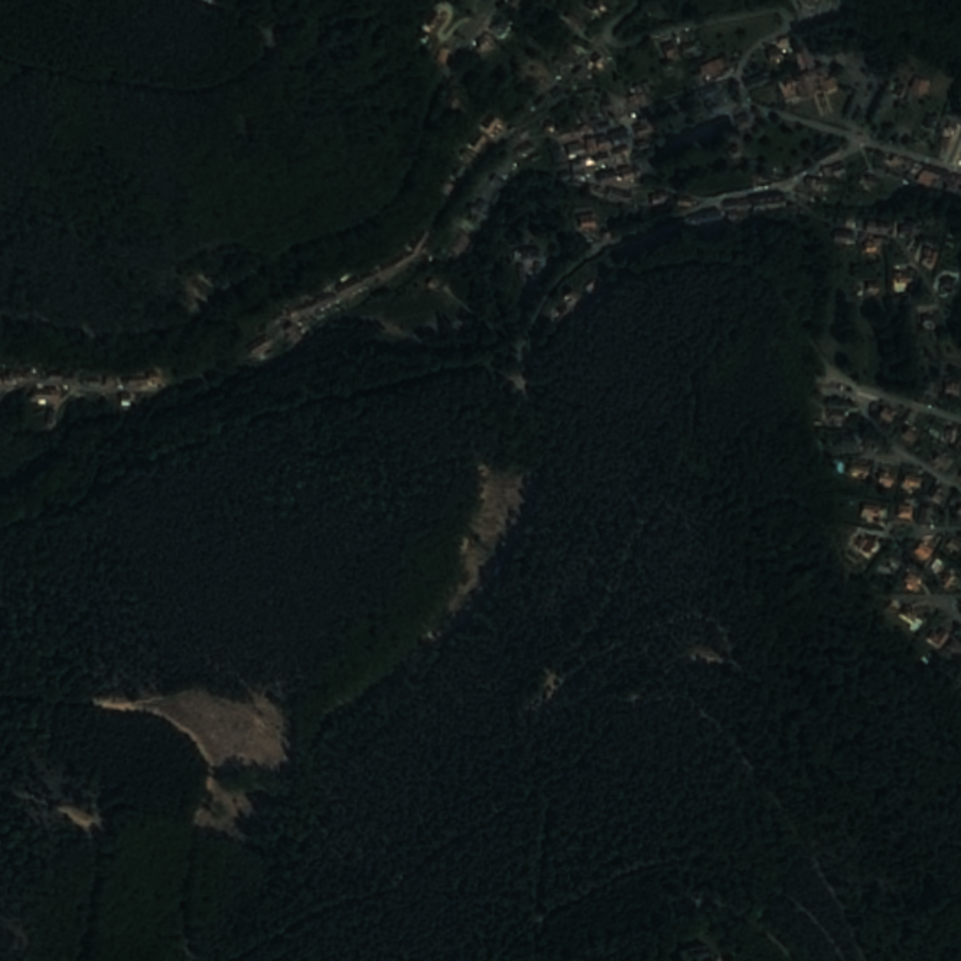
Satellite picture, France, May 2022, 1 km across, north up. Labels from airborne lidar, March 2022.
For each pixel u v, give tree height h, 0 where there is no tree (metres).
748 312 27
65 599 17
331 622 18
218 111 18
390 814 22
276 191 21
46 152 22
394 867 24
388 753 21
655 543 19
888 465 0
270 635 19
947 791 27
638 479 26
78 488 22
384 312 0
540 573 29
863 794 30
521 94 11
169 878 24
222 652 25
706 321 25
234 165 19
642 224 10
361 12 28
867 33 17
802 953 24
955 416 0
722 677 26
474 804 23
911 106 0
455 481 21
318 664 23
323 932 26
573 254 15
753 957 22
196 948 19
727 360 22
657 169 19
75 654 26
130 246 25
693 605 20
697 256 22
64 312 21
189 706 0
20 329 24
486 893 26
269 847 27
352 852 24
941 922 26
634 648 24
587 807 24
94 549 31
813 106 0
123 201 22
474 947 25
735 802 21
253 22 19
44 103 24
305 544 19
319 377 22
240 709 0
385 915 25
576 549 26
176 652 22
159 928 20
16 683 27
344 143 19
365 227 23
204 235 15
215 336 30
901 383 17
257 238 23
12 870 24
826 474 15
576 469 29
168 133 18
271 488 22
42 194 26
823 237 0
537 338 21
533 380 24
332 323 9
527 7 21
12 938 16
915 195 11
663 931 24
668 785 23
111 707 0
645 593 20
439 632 0
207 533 22
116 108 21
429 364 21
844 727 31
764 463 22
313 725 0
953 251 0
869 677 32
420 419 31
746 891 26
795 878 26
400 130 23
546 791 22
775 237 27
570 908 8
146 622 22
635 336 21
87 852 10
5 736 25
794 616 33
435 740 23
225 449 27
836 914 23
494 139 0
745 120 0
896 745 11
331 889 27
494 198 0
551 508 31
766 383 22
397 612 28
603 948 23
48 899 10
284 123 18
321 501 21
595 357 25
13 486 35
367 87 25
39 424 0
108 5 19
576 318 10
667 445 22
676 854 22
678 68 0
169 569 20
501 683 25
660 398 18
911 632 0
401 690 26
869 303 0
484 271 22
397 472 25
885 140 9
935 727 30
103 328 20
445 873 24
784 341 26
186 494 23
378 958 25
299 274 26
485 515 0
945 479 0
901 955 24
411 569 27
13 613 27
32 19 18
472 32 0
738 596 25
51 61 17
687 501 24
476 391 28
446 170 19
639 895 6
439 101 11
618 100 0
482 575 0
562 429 29
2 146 22
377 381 20
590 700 22
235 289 22
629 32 7
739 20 0
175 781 17
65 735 12
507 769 24
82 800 26
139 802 17
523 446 34
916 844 28
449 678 23
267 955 22
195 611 21
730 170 17
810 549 29
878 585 6
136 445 23
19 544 33
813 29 20
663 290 26
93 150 14
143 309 14
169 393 11
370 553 23
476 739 23
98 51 21
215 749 0
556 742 20
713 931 30
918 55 20
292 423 26
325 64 19
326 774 25
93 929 23
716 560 23
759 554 30
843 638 35
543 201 23
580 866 22
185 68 19
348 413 25
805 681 42
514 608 28
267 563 20
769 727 29
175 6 21
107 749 13
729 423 24
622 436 24
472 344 11
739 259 24
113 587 24
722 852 21
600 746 21
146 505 24
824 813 21
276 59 15
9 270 12
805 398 7
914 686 27
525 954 21
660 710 18
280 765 0
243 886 21
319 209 19
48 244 22
